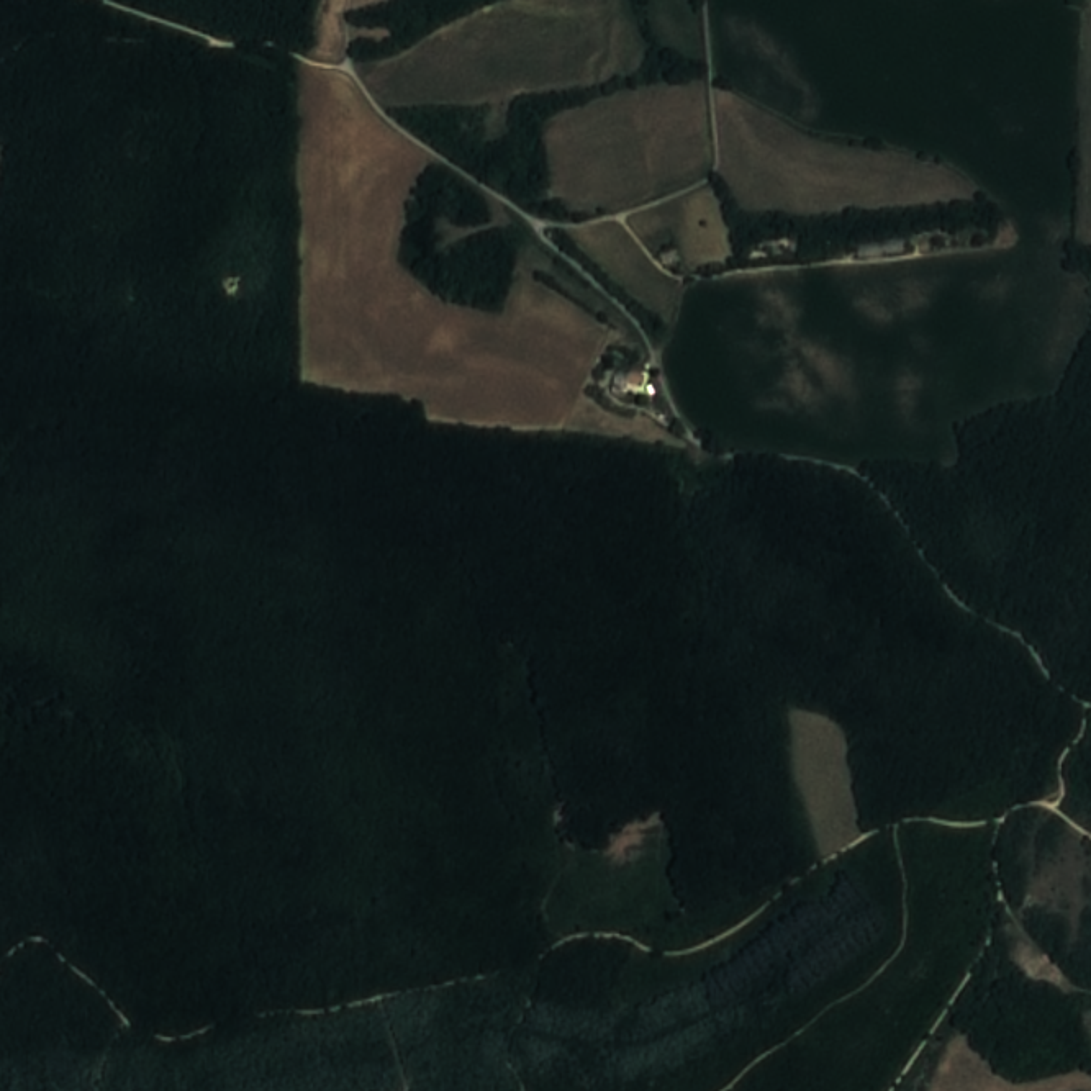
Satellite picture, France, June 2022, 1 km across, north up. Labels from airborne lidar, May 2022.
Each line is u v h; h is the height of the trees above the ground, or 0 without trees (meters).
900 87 0
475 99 0
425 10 8
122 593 14
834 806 0
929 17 0
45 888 8
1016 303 0
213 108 19
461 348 0
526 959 11
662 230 0
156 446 13
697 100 0
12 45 12
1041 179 0
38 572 9
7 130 14
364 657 14
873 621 12
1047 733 10
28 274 10
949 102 0
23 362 17
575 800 13
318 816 10
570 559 17
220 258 8
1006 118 0
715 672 13
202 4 9
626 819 18
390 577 7
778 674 10
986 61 0
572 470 12
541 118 10
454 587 9
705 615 10
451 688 8
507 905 6
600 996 7
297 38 17
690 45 0
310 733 9
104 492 12
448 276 12
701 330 0
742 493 17
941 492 16
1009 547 7
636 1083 7
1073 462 15
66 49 13
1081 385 10
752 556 6
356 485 13
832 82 0
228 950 8
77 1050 6
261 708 11
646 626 24
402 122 7
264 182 10
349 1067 6
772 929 15
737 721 14
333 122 0
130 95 8
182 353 15
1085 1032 11
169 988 10
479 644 8
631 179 0
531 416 0
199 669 14
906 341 0
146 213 8
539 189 17
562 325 0
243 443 14
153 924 13
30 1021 7
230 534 14
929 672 11
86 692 9
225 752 12
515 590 16
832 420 0
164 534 13
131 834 16
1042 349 0
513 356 0
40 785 12
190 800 10
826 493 16
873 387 0
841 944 14
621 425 0
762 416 0
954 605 12
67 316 11
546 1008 10
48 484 11
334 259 0
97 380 17
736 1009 10
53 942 8
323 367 0
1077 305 0
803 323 0
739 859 11
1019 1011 9
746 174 0
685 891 12
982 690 10
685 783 14
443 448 17
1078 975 8
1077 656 13
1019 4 0
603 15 0
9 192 11
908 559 13
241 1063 9
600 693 15
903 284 0
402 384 0
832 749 0
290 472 15
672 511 13
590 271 8
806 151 0
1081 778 7
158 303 11
